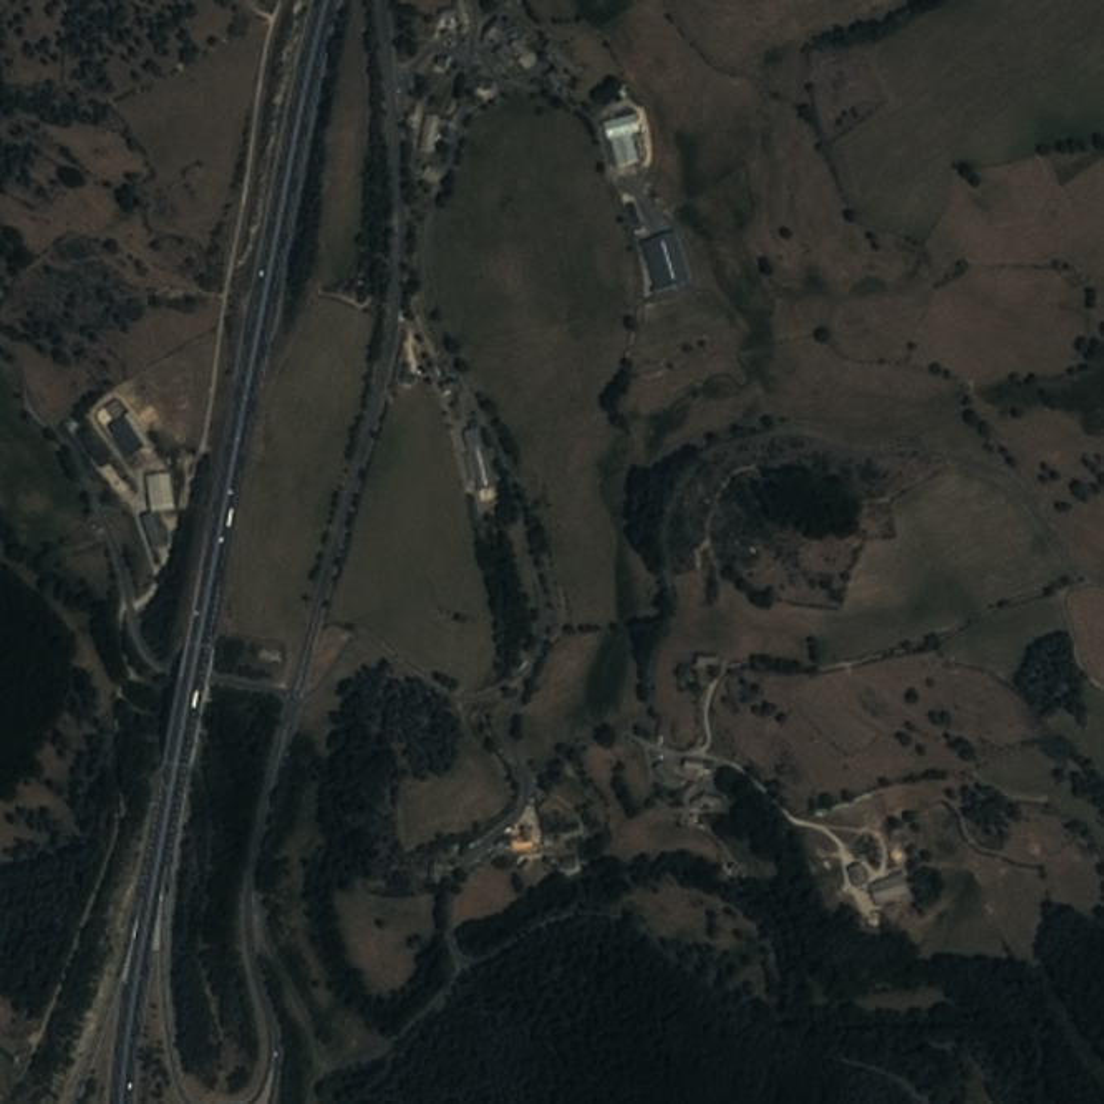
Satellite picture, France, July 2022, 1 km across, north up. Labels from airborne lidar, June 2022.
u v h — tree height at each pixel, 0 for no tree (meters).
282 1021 10
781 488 22
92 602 6
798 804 0
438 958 17
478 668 0
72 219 0
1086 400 0
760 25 0
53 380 0
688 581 0
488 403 16
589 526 0
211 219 0
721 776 17
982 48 0
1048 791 0
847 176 0
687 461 23
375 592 0
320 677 0
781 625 0
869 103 0
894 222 0
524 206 0
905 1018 8
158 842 0
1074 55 0
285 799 7
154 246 9
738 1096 22
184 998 11
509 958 17
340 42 11
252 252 0
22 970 23
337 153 0
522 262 0
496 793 0
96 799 23
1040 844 0
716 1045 22
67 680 23
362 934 0
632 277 0
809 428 0
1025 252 0
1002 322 0
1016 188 0
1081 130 0
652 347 0
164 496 0
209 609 0
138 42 15
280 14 0
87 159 0
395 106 0
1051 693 14
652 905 0
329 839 8
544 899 14
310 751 11
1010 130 0
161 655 11
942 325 0
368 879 17
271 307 0
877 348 0
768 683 0
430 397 0
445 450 0
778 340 0
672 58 0
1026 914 0
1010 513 0
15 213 0
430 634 0
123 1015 0
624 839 0
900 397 0
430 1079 21
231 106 0
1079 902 0
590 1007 12
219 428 0
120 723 10
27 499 0
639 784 0
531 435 0
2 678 22
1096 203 0
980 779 0
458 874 13
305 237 11
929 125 0
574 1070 20
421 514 0
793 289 0
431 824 0
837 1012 10
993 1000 31
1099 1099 20
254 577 0
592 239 0
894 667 0
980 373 0
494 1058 20
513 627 12
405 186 14
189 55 10
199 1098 0
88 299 0
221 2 11
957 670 0
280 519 0
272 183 0
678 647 0
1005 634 0
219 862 10
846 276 0
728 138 0
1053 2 0
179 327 0
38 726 19
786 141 0
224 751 13
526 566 0
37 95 9
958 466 0
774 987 9
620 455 0
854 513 17
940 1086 19
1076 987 24
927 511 0
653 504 20
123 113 0
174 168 0
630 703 0
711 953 18
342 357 0
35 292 0
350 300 0
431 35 0
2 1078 0
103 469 0
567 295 0
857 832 0
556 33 0
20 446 0
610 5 0
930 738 0
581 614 0
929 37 0
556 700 0
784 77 0
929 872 9
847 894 0
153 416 0
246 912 0
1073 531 0
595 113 0
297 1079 13
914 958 17
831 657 0
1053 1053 21
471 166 0
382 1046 0
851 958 13
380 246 19
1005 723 0
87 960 11
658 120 0
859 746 0
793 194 0
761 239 0
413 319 10
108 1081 0
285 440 0
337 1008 0
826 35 7
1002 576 0
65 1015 8
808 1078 20
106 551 8
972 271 0
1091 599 0
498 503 8
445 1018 12
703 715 0
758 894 13
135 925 0
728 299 0
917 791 0
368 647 0
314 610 0
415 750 15
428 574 0
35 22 0
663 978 22
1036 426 0
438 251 0
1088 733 0
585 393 0
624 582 0
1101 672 0
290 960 9
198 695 0
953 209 0
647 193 0
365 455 0
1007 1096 21
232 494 0
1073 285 0
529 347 0
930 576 0
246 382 0
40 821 15
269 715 13
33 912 17
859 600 0
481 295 0
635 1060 25
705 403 0
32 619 23
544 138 0
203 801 12
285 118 0
